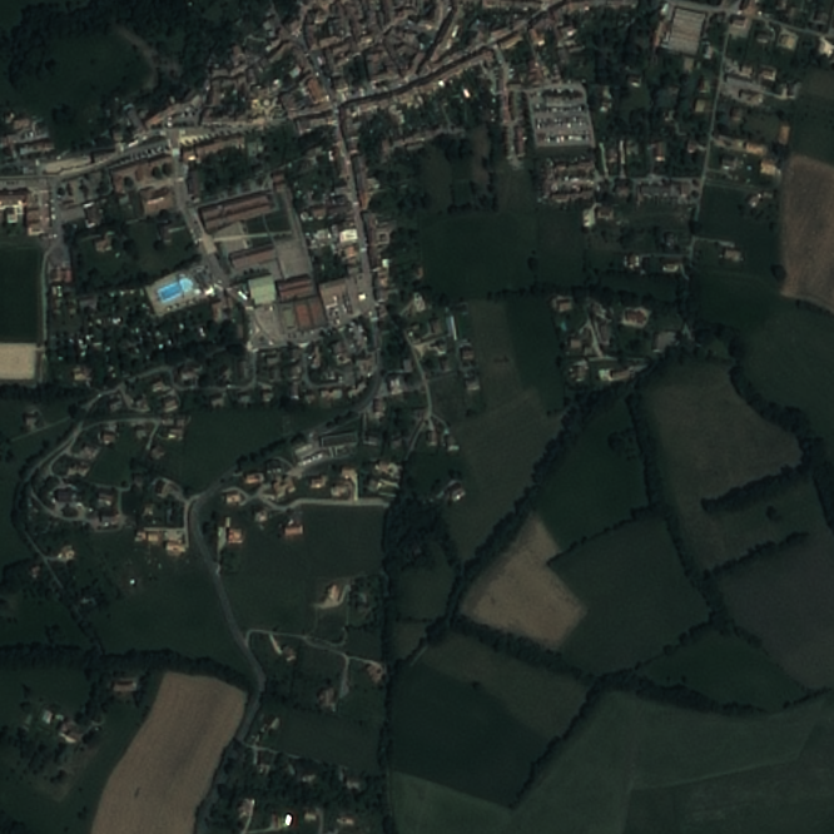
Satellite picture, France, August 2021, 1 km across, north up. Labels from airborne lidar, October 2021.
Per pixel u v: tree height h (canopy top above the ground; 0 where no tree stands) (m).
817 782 0
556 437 0
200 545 0
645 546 0
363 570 0
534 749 0
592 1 0
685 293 15
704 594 14
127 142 6
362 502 0
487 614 0
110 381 10
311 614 0
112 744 0
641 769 0
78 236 9
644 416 17
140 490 11
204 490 0
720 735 0
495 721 0
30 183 0
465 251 0
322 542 0
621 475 0
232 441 0
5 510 0
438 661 0
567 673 8
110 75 0
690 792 0
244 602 0
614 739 0
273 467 0
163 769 0
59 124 13
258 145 0
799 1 0
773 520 14
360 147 9
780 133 0
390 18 0
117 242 10
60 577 6
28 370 0
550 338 0
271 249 0
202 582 0
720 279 0
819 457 25
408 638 0
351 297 0
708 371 0
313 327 0
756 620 0
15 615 0
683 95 12
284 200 0
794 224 0
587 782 0
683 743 0
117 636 0
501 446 0
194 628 0
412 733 0
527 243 0
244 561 0
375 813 10
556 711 0
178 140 0
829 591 0
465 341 0
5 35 20
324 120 0
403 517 16
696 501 0
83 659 12
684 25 0
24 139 0
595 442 0
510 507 0
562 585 0
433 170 0
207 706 0
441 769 0
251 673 0
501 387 0
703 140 15
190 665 18
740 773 0
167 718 0
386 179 14
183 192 0
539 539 0
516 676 0
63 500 0
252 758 8
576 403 7
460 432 0
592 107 18
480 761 0
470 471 0
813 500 0
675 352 15
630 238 9
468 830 0
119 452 0
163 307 0
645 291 0
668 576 0
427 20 0
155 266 0
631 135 8
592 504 0
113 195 7
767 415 15
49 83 0
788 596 0
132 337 13
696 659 0
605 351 14
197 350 18
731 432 0
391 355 7
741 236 0
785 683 0
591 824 0
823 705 0
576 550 9
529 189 0
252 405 12
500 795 0
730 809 0
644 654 0
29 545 8
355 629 7
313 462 0
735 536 0
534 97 0
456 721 0
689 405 0
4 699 0
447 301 14
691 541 0
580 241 0
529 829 0
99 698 12
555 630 0
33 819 0
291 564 0
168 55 6
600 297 19
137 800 0
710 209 0
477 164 0
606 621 0
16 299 0
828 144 0
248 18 7
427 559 13
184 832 0
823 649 0
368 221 0
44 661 23
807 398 0
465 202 0
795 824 0
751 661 0
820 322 0
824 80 0
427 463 0
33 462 12
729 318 0
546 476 18
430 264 0
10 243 0
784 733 0
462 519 0
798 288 0
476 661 0
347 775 7
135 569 0
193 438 0
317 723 0
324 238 0
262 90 0
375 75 0
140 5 27
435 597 0
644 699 17
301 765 10
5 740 15
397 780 0
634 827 0
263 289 0
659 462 12
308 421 0
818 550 0
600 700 15
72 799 0
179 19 7
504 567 0
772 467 0
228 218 0
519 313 0
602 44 19
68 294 9
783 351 0
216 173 11
